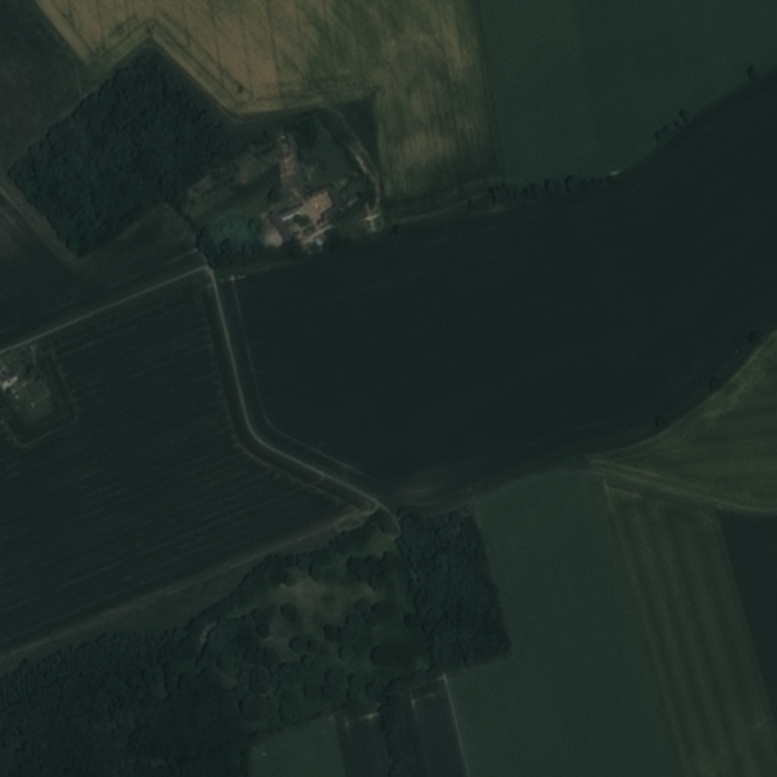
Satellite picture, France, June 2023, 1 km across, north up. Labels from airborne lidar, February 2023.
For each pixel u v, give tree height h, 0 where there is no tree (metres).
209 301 0
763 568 0
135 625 0
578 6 0
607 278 0
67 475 0
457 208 0
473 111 0
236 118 0
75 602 0
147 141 22
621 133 0
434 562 16
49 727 25
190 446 0
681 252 0
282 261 0
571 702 0
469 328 0
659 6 0
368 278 0
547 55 0
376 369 0
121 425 0
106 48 0
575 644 0
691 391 0
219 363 0
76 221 19
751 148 0
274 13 0
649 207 0
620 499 0
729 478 0
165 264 0
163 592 0
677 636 0
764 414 0
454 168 0
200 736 21
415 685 14
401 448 0
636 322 0
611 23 0
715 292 0
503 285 0
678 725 0
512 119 0
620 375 0
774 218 0
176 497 0
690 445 0
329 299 0
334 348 0
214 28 0
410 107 0
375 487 0
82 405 0
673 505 0
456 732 0
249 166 0
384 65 0
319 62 0
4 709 24
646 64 0
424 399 0
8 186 0
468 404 0
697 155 0
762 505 0
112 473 0
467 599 21
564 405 0
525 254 0
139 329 0
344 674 0
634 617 0
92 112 20
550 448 0
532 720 0
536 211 0
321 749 0
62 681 19
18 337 0
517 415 0
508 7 0
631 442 0
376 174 0
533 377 0
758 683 0
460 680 0
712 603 0
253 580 17
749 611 0
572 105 0
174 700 19
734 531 0
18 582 0
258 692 20
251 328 0
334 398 0
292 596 0
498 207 18
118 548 0
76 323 0
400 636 0
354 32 0
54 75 0
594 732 0
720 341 0
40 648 0
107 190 28
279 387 0
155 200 20
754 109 0
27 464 0
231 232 12
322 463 0
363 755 0
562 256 0
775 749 0
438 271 0
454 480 0
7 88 0
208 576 0
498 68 0
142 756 24
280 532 0
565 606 0
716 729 0
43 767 23
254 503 0
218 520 0
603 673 0
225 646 24
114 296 0
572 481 0
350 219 0
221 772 22
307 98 0
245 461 0
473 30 0
